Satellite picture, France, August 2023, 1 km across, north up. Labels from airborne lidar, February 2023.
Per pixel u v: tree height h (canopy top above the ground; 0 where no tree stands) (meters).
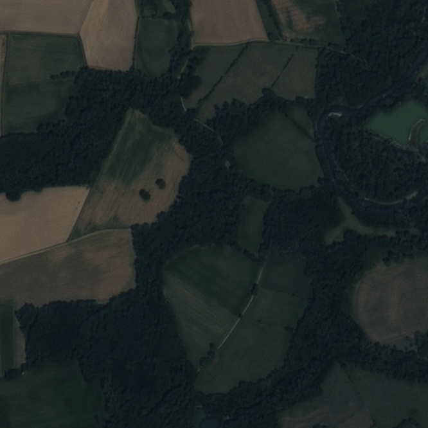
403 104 0
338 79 21
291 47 0
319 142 12
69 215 0
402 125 0
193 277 0
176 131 9
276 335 0
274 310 0
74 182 15
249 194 18
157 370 28
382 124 0
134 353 21
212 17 0
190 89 23
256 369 0
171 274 0
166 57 0
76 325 16
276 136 0
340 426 0
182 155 0
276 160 0
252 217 0
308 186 0
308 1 0
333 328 28
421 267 0
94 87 16
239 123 19
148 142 0
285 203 21
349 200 17
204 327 0
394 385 0
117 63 0
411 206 16
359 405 0
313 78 0
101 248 0
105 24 0
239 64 0
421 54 0
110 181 0
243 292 0
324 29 0
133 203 0
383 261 0
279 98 7
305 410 0
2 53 0
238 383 0
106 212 0
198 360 0
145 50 0
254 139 0
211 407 22
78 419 0
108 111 22
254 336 0
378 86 24
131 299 23
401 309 0
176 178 0
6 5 0
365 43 15
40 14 0
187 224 27
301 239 13
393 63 7
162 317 23
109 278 0
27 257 0
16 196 19
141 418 19
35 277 0
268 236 18
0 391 0
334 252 19
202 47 0
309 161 0
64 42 0
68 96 0
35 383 0
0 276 0
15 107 0
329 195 8
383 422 0
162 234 25
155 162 0
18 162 18
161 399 0
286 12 0
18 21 0
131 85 29
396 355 21
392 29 21
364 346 16
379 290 0
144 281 20
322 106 10
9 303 0
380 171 18
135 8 0
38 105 0
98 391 0
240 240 0
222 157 11
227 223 7
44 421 0
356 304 0
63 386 0
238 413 17
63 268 0
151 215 0
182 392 19
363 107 0
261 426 19
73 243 0
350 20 12
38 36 0
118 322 21
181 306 0
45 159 21
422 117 0
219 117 20
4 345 0
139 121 0
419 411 0
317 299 18
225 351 0
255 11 0
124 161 0
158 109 28
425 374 7
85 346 18
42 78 0
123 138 0
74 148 21
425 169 26
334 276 20
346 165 27
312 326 25
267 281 0
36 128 0
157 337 25
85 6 0
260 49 0
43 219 0
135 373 21
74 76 11
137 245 22
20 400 0
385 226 9
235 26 0
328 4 0
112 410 26
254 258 14
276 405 20
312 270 22
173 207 10
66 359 9
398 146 0
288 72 0
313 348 11
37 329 18
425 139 0
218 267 0
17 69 0
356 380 0
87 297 0
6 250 0
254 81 0
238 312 0
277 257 0
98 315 21
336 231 0
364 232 0
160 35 0
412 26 19
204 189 27
